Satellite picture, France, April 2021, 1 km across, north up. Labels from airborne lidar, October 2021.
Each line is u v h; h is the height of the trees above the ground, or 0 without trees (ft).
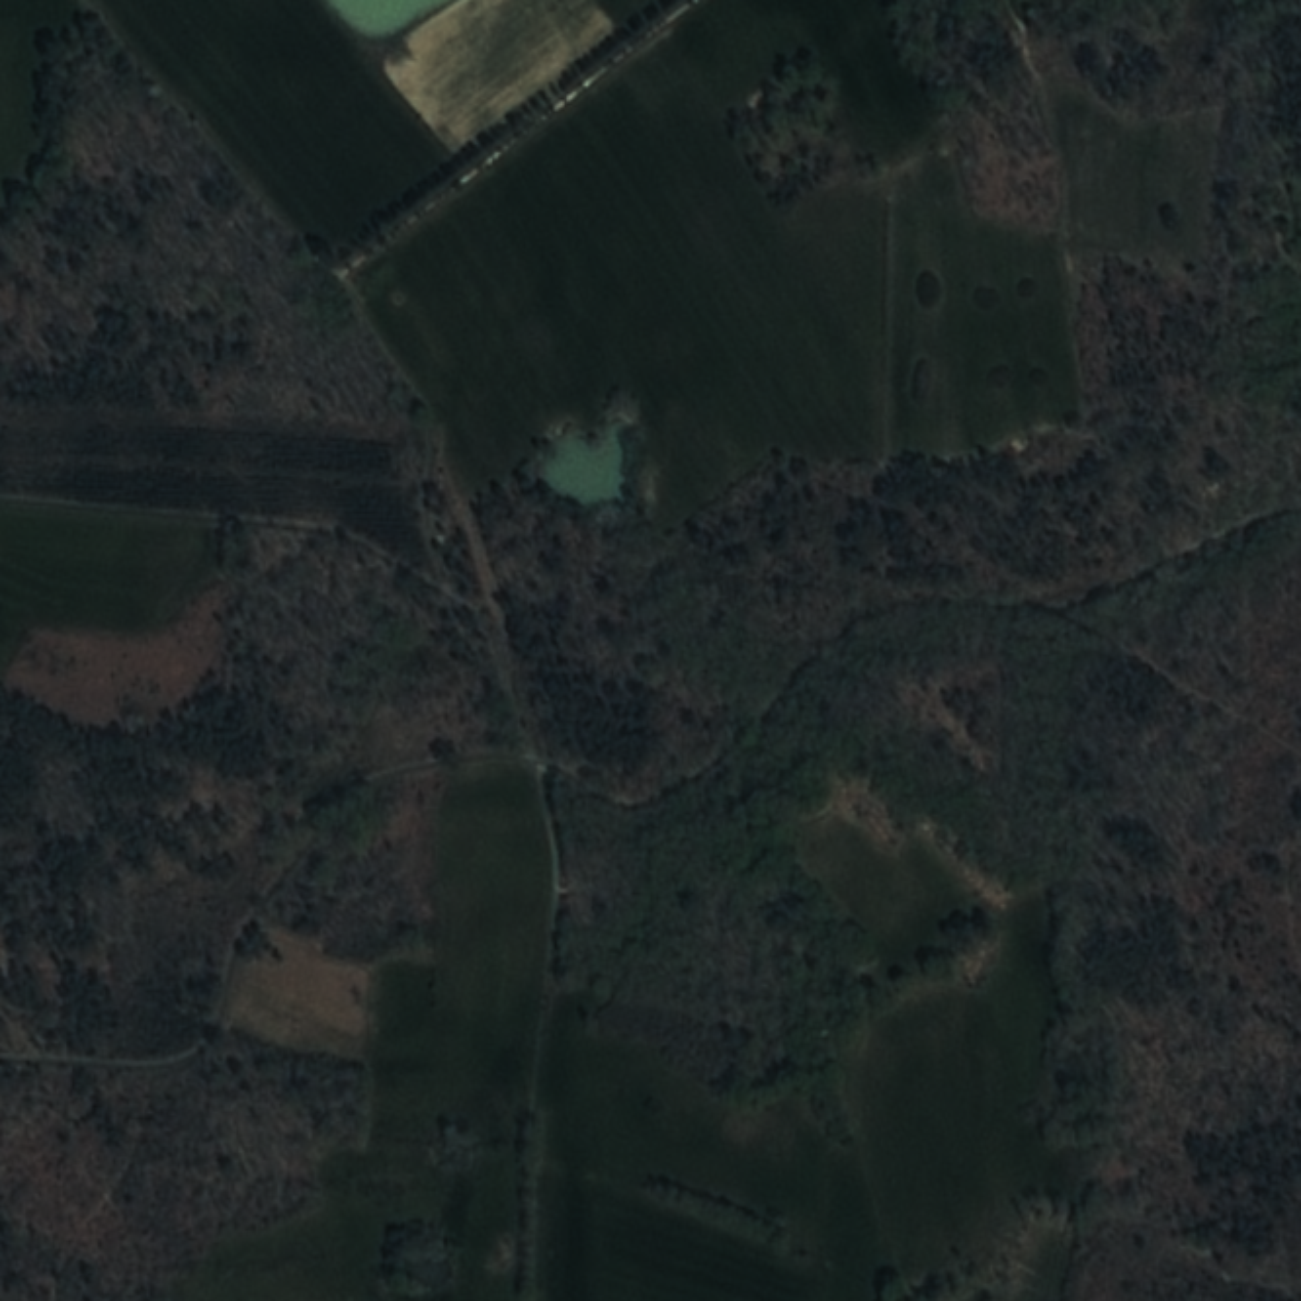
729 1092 58
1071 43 72
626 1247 0
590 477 0
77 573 0
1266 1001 22
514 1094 0
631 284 0
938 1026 0
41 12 0
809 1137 0
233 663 24
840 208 0
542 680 33
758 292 0
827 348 0
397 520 21
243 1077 67
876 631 60
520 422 0
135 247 75
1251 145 54
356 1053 0
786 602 73
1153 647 52
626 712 66
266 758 61
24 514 0
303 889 30
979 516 73
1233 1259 20
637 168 0
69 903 64
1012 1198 0
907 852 0
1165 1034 22
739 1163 0
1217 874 28
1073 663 54
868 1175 0
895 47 39
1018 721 55
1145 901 41
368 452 26
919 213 0
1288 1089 20
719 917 43
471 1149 61
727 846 67
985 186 33
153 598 0
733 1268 0
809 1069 43
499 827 0
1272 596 28
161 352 46
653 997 34
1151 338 29
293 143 0
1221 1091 25
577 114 0
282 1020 0
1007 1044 0
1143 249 0
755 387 0
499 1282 0
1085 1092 78
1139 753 52
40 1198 28
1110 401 24
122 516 0
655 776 40
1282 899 50
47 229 41
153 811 78
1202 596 56
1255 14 51
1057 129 0
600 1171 0
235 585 55
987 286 0
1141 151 0
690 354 0
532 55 0
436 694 29
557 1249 0
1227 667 47
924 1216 0
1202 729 59
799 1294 0
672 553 32
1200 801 45
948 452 0
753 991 40
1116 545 69
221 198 50
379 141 0
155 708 0
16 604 0
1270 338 38
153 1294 38
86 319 38
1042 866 67
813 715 72
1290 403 48
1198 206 0
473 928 0
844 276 0
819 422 0
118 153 44
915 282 0
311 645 39
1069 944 69
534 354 0
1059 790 59
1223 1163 49
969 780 64
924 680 43
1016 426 0
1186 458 40
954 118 67
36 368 32
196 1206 33
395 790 22
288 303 54
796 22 0
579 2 0
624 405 53
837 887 0
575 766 77
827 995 51
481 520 66
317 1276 0
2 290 30
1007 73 95
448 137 0
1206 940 56
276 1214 23
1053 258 0
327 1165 0
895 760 39
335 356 62
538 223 0
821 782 77
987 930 74
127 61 48
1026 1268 0
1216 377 28
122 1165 23
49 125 63
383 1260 21
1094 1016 55
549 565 52
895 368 0
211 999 68
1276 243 91
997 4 58
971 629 67
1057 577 68
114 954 25
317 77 0
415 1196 0
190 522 0
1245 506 68
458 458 0
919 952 0
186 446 27
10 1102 43
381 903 36
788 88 75
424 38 0
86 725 0
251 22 0
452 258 0
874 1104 0
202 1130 29
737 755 58
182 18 0
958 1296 64
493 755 50
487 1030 0
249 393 40
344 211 0
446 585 40
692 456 0
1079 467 0
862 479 21
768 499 33
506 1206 0
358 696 42
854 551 81
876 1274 0
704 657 72
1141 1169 53
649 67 0
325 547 37
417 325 0
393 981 0
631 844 50
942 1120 0
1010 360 0
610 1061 0
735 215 0
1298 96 45
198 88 0
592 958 47
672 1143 0
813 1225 0
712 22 0
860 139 0
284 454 22
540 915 0
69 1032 54
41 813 40
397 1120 0
